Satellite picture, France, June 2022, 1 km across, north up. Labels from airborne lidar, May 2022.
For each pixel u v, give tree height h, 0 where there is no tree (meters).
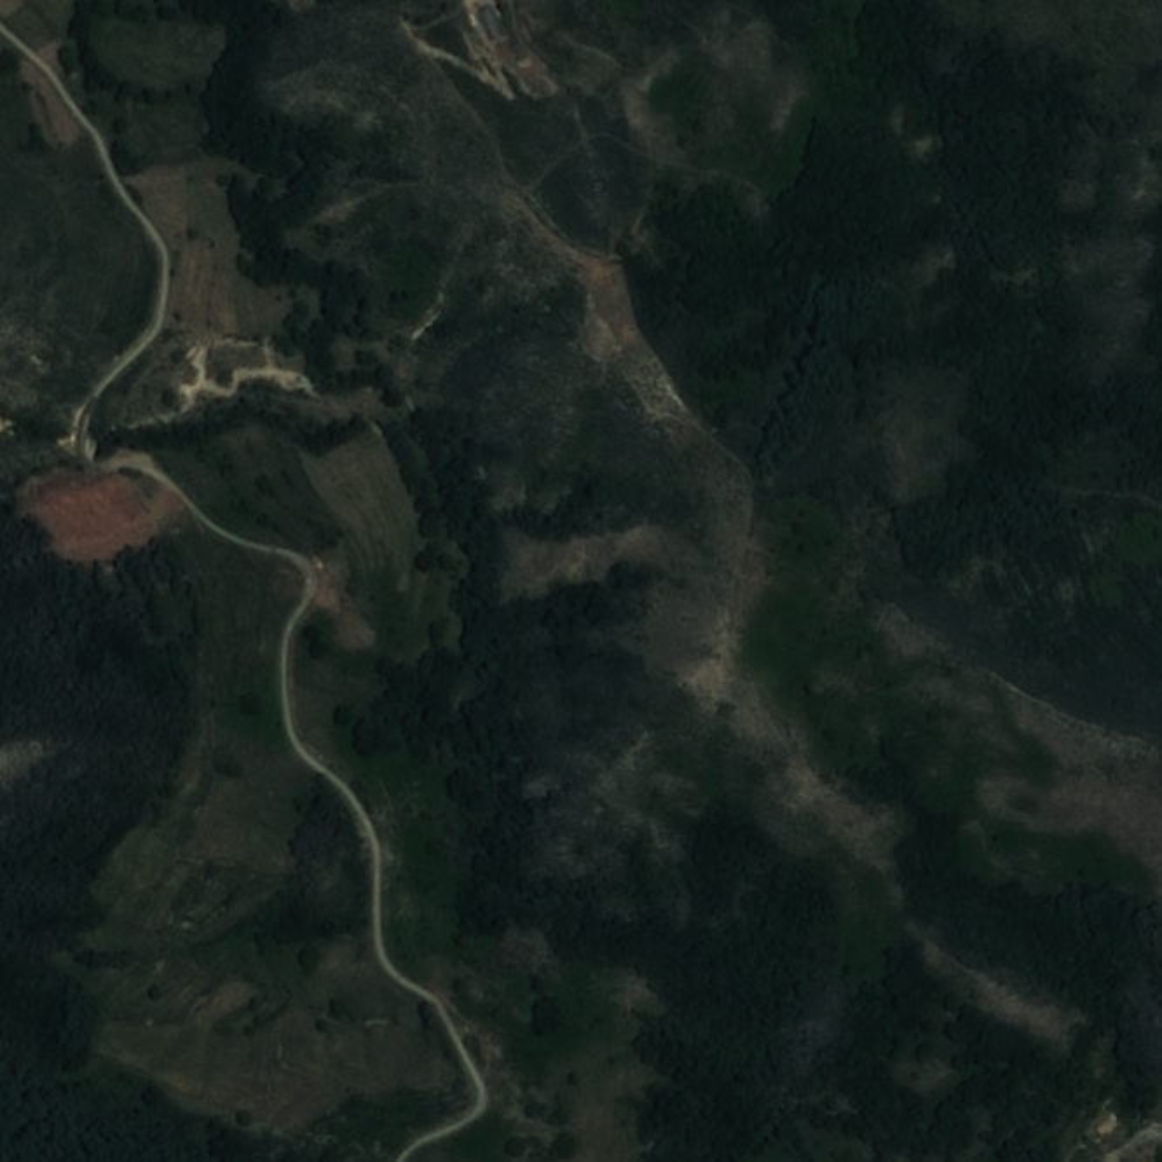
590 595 8
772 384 0
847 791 0
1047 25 0
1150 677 0
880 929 0
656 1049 30
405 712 12
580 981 0
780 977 15
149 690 14
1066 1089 16
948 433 0
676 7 0
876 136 11
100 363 0
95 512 0
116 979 0
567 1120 10
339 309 26
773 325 14
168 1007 0
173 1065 0
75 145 0
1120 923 15
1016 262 12
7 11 0
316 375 17
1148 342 9
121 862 0
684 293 14
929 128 15
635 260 9
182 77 0
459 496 18
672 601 0
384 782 0
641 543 0
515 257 0
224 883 0
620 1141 0
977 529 21
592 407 0
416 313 0
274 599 0
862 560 0
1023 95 11
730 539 0
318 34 0
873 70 16
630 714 0
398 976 0
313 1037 0
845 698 0
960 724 0
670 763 0
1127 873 0
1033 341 13
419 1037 0
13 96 0
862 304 22
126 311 0
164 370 0
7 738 13
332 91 0
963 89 13
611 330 0
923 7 8
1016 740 0
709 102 0
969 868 7
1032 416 22
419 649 0
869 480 6
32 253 0
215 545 0
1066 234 7
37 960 21
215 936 0
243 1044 0
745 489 0
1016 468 17
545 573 0
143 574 19
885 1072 12
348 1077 0
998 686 0
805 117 0
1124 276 0
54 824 16
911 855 7
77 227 0
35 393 0
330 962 0
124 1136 25
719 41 0
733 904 8
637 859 10
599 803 0
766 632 0
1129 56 0
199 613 12
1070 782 0
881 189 20
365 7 0
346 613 0
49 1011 21
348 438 13
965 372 10
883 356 13
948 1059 0
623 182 0
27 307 0
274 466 0
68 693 19
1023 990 0
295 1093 0
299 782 0
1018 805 0
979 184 16
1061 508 20
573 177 0
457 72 0
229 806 0
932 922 9
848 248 22
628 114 0
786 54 0
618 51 0
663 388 0
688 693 0
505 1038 0
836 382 28
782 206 12
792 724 0
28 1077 25
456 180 0
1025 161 11
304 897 7
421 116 0
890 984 16
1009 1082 16
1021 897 14
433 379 0
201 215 0
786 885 11
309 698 0
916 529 23
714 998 23
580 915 23
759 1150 10
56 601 23
